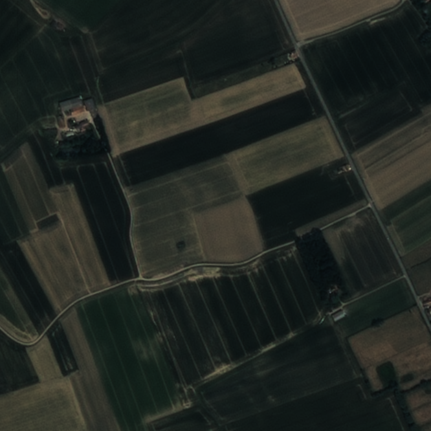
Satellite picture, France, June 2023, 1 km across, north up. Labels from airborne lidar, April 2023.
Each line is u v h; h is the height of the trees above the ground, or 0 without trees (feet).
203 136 0
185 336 0
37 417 0
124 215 0
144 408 0
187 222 0
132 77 0
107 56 0
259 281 0
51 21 0
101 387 0
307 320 0
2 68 0
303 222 0
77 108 0
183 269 0
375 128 0
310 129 0
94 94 0
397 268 0
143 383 0
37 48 0
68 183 0
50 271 0
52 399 0
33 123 0
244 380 0
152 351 0
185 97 0
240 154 0
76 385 0
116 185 0
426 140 0
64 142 33
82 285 0
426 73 0
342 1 0
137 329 0
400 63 0
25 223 0
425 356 0
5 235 0
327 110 0
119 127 0
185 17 0
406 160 0
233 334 0
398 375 0
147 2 0
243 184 0
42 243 0
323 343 0
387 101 0
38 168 0
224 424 0
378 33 0
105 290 0
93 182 0
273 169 0
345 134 0
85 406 0
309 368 0
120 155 0
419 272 0
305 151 0
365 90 0
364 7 0
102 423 0
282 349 0
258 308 0
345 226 0
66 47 0
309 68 0
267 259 0
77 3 0
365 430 0
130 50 0
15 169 0
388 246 0
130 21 0
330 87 0
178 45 0
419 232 0
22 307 0
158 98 0
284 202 0
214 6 0
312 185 0
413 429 50
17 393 0
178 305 0
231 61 0
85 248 0
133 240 0
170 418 0
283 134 0
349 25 0
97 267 0
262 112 0
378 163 0
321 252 61
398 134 0
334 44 0
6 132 0
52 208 0
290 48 0
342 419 0
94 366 0
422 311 0
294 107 0
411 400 0
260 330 0
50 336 0
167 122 0
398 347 0
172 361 0
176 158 0
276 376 0
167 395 0
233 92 0
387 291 0
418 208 0
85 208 0
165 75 0
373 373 0
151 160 0
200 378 0
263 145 0
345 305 0
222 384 0
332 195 0
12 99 0
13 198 0
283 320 0
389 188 0
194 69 0
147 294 0
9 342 0
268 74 0
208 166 0
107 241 0
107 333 0
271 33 0
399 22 0
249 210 0
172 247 0
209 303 0
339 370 0
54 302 0
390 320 0
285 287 0
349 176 0
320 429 0
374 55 0
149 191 0
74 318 0
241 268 0
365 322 0
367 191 0
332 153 0
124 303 0
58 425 0
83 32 0
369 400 0
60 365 0
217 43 0
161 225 0
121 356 0
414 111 0
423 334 0
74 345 0
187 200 0
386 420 0
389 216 0
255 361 0
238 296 0
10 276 0
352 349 0
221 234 0
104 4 0
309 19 0
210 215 0
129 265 0
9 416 0
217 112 0
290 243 0
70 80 0
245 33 0
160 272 0
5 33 0
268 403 0
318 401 0
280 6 0
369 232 0
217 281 0
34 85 0
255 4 0
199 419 0
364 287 0
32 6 0
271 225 0
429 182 0
